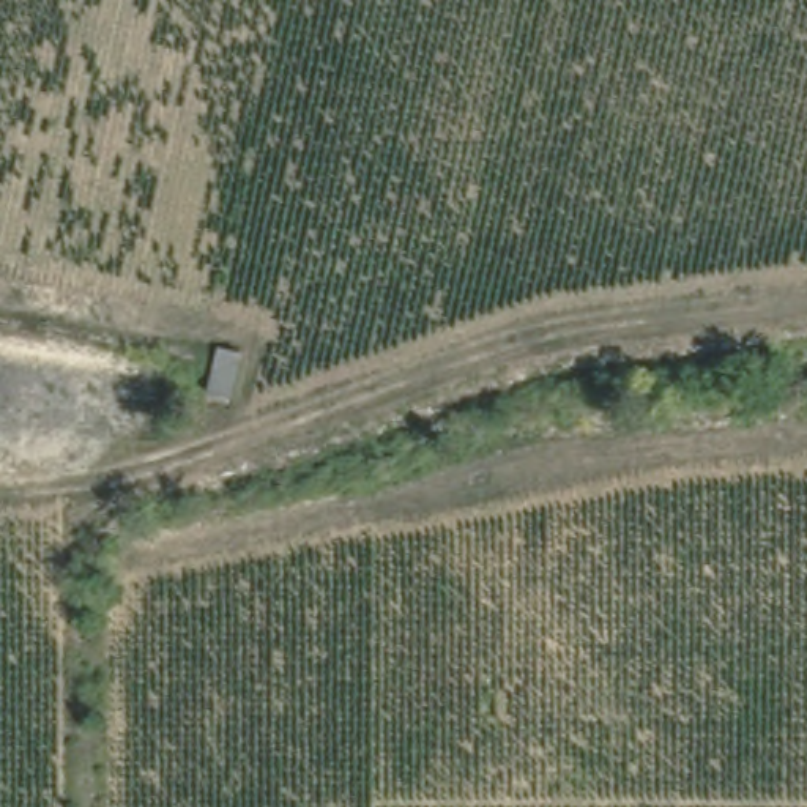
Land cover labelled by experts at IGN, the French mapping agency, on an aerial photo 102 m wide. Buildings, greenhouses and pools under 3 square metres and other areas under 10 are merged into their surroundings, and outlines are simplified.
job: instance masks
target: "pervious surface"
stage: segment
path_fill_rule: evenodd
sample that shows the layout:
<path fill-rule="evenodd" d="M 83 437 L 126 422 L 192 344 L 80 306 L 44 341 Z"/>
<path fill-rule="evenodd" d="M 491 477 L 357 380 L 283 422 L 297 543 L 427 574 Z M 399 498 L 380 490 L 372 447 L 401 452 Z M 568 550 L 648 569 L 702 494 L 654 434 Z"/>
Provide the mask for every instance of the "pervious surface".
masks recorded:
<path fill-rule="evenodd" d="M 113 381 L 120 375 L 136 375 L 139 363 L 88 350 L 69 340 L 0 337 L 0 485 L 88 476 L 110 441 L 136 432 L 148 422 L 148 416 L 126 413 L 113 397 Z"/>

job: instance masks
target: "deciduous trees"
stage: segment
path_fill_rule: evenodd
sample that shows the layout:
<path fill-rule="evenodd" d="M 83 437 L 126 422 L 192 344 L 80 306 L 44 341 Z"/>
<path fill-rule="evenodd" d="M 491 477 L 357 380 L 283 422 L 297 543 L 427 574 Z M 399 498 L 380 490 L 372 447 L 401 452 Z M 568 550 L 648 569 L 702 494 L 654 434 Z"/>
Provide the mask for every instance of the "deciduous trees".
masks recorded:
<path fill-rule="evenodd" d="M 82 703 L 88 703 L 91 712 L 82 725 L 88 731 L 104 731 L 107 684 L 85 684 Z"/>
<path fill-rule="evenodd" d="M 602 347 L 599 353 L 577 359 L 574 369 L 549 372 L 558 388 L 577 381 L 583 404 L 593 407 L 577 426 L 580 432 L 596 435 L 615 416 L 621 426 L 637 426 L 637 432 L 687 435 L 690 429 L 697 429 L 697 416 L 703 410 L 709 410 L 716 419 L 731 419 L 731 429 L 757 429 L 766 422 L 794 419 L 807 422 L 807 347 L 801 340 L 785 340 L 772 347 L 772 359 L 760 359 L 753 353 L 738 353 L 731 334 L 709 328 L 703 337 L 694 340 L 694 350 L 681 356 L 665 353 L 653 359 L 634 359 L 624 356 L 618 347 Z"/>
<path fill-rule="evenodd" d="M 183 416 L 148 416 L 148 422 L 136 432 L 151 451 L 177 438 Z"/>

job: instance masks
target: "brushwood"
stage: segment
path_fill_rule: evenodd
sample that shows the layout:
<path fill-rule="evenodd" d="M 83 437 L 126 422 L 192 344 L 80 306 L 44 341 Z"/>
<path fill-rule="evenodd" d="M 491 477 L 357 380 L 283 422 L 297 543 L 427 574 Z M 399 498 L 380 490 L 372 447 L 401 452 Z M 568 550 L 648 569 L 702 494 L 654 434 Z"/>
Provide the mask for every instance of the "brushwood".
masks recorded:
<path fill-rule="evenodd" d="M 161 378 L 173 381 L 183 400 L 195 394 L 202 385 L 208 388 L 214 353 L 230 350 L 233 340 L 199 340 L 195 359 L 186 363 L 170 356 Z"/>
<path fill-rule="evenodd" d="M 299 498 L 359 498 L 404 482 L 429 479 L 441 470 L 467 467 L 479 457 L 501 451 L 504 444 L 523 448 L 526 441 L 552 435 L 555 429 L 571 432 L 577 426 L 593 407 L 583 404 L 577 381 L 558 388 L 549 372 L 530 375 L 511 388 L 492 388 L 473 397 L 451 400 L 432 416 L 413 413 L 381 435 L 369 435 L 363 441 L 322 451 L 312 460 L 293 460 L 290 467 L 262 467 L 233 476 L 221 489 L 183 489 L 173 476 L 158 476 L 158 489 L 151 489 L 145 479 L 126 482 L 123 473 L 107 473 L 95 482 L 98 508 L 91 511 L 91 517 L 69 530 L 66 545 L 57 545 L 50 552 L 50 580 L 57 586 L 60 612 L 66 621 L 85 637 L 101 634 L 107 627 L 107 612 L 123 602 L 123 586 L 101 567 L 104 555 L 113 555 L 132 539 L 145 539 L 164 526 L 183 526 L 208 517 L 236 517 L 246 511 L 274 508 Z"/>

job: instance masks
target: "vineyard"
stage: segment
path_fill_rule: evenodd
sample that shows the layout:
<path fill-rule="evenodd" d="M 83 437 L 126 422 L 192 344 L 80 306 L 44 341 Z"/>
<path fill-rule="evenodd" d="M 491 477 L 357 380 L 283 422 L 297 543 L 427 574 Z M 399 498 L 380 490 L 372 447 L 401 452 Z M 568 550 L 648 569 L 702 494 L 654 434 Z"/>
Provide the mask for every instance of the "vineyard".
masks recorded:
<path fill-rule="evenodd" d="M 807 0 L 0 0 L 0 309 L 85 318 L 91 325 L 117 325 L 123 331 L 145 337 L 199 340 L 233 340 L 262 334 L 268 344 L 262 347 L 258 359 L 262 372 L 271 385 L 290 385 L 315 369 L 328 369 L 366 353 L 381 353 L 429 331 L 451 328 L 463 318 L 476 318 L 501 306 L 514 306 L 555 290 L 627 287 L 640 281 L 659 281 L 662 271 L 684 277 L 738 268 L 769 268 L 785 265 L 798 252 L 807 258 Z"/>
<path fill-rule="evenodd" d="M 675 482 L 668 489 L 615 492 L 577 504 L 545 504 L 536 511 L 489 520 L 460 520 L 451 530 L 400 533 L 381 539 L 337 539 L 318 549 L 306 545 L 290 555 L 246 558 L 236 564 L 183 571 L 180 577 L 151 577 L 142 596 L 142 612 L 132 615 L 123 634 L 123 646 L 129 653 L 123 678 L 126 763 L 113 766 L 110 775 L 123 779 L 126 807 L 807 807 L 807 476 L 744 476 L 734 482 L 694 479 Z"/>
<path fill-rule="evenodd" d="M 50 580 L 50 552 L 57 545 L 50 545 L 41 536 L 38 520 L 0 520 L 0 807 L 69 807 L 73 798 L 63 798 L 57 791 L 54 775 L 54 678 L 57 643 L 66 643 L 66 621 L 60 612 L 57 586 Z"/>

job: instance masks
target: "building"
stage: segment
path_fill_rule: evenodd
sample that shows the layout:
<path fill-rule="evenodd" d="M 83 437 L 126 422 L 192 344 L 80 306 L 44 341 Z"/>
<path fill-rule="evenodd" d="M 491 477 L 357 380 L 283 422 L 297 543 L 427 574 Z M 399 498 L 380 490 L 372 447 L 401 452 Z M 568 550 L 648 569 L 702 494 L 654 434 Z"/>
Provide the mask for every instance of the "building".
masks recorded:
<path fill-rule="evenodd" d="M 230 400 L 240 372 L 240 353 L 230 350 L 214 353 L 208 388 L 208 400 Z"/>

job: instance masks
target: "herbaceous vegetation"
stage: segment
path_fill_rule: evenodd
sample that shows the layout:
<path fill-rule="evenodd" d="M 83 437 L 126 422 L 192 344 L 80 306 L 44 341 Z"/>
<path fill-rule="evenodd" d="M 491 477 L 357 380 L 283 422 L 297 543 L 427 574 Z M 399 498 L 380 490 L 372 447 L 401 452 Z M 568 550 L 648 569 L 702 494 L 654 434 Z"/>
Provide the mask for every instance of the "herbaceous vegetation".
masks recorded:
<path fill-rule="evenodd" d="M 158 489 L 158 476 L 173 476 L 183 489 L 221 489 L 233 476 L 262 467 L 290 467 L 293 460 L 312 460 L 322 451 L 363 441 L 369 435 L 381 435 L 413 413 L 432 416 L 451 400 L 473 397 L 492 388 L 511 388 L 530 375 L 549 372 L 574 369 L 577 359 L 599 353 L 602 347 L 618 347 L 624 356 L 634 359 L 653 359 L 665 353 L 681 356 L 694 350 L 694 340 L 703 337 L 709 328 L 731 334 L 738 353 L 753 353 L 760 359 L 772 359 L 772 347 L 785 340 L 801 340 L 807 347 L 807 258 L 798 252 L 785 265 L 769 268 L 738 268 L 684 277 L 662 271 L 659 281 L 640 281 L 627 287 L 555 290 L 514 306 L 501 306 L 476 318 L 463 318 L 451 328 L 429 331 L 381 353 L 366 353 L 328 369 L 315 369 L 290 385 L 271 385 L 262 372 L 258 359 L 262 347 L 268 344 L 262 334 L 233 340 L 230 350 L 240 353 L 240 372 L 230 400 L 208 400 L 208 388 L 202 385 L 195 394 L 183 400 L 173 381 L 161 378 L 170 356 L 186 363 L 195 359 L 199 340 L 145 337 L 123 331 L 117 325 L 91 325 L 85 318 L 0 309 L 0 337 L 69 340 L 88 350 L 139 363 L 136 375 L 120 375 L 113 381 L 113 397 L 126 413 L 148 416 L 183 416 L 177 438 L 151 451 L 136 432 L 110 441 L 88 476 L 0 485 L 0 520 L 38 520 L 41 536 L 50 545 L 57 545 L 66 545 L 69 530 L 91 517 L 91 511 L 98 508 L 95 482 L 107 473 L 123 473 L 126 482 L 145 479 L 151 489 Z"/>
<path fill-rule="evenodd" d="M 400 533 L 451 530 L 460 520 L 489 520 L 536 511 L 545 504 L 577 504 L 615 492 L 668 489 L 675 482 L 694 479 L 734 482 L 744 476 L 807 476 L 807 422 L 794 419 L 766 422 L 757 429 L 731 429 L 731 419 L 716 419 L 709 410 L 703 410 L 697 416 L 697 429 L 690 429 L 687 435 L 637 432 L 637 426 L 621 426 L 615 416 L 596 435 L 580 432 L 577 426 L 571 432 L 555 429 L 552 435 L 526 441 L 523 448 L 504 444 L 501 451 L 479 457 L 467 467 L 441 470 L 429 479 L 404 482 L 359 498 L 299 498 L 274 508 L 246 511 L 236 517 L 208 517 L 183 526 L 164 526 L 145 539 L 132 539 L 113 555 L 104 555 L 101 567 L 123 586 L 123 602 L 107 612 L 107 627 L 101 634 L 85 637 L 66 621 L 66 643 L 57 643 L 54 678 L 54 775 L 57 791 L 63 798 L 73 798 L 69 807 L 126 807 L 123 779 L 110 775 L 113 766 L 126 763 L 123 678 L 129 653 L 123 646 L 123 634 L 132 615 L 142 612 L 142 596 L 151 577 L 180 577 L 183 571 L 236 564 L 246 558 L 290 555 L 306 545 L 318 549 L 337 539 L 381 539 Z M 91 712 L 88 703 L 82 703 L 85 684 L 107 684 L 104 731 L 88 731 L 82 725 Z"/>

